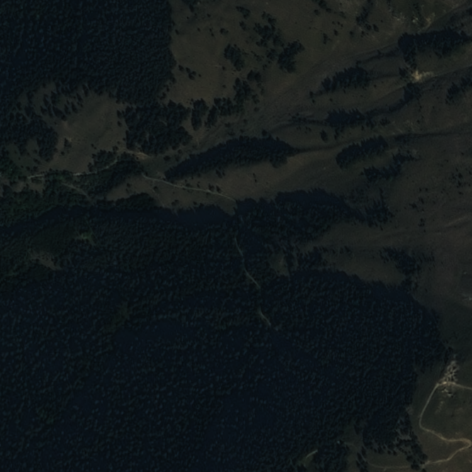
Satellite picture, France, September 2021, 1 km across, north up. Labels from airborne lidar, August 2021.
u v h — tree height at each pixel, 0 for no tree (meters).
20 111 13
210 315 24
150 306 21
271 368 13
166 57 16
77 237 7
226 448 22
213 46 0
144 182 0
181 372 21
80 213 19
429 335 14
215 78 0
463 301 0
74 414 14
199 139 0
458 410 0
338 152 0
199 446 16
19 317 26
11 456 17
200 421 21
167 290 11
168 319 13
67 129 0
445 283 0
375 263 0
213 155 10
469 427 0
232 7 0
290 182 0
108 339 13
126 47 17
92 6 13
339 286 19
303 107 0
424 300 0
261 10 0
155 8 25
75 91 12
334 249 0
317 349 14
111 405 25
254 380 28
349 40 0
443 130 0
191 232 23
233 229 9
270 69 0
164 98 8
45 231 14
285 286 18
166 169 0
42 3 16
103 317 18
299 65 0
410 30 0
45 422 14
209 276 14
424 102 0
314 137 0
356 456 0
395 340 18
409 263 15
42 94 0
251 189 0
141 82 21
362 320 26
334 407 21
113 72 19
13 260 10
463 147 0
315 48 0
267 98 0
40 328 24
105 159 17
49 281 18
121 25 20
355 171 0
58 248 15
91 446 34
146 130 22
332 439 9
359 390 17
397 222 0
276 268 0
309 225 7
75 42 10
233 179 0
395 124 0
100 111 0
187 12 0
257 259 16
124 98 20
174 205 8
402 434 11
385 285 0
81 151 0
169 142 18
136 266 10
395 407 15
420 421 0
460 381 0
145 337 10
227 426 10
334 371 18
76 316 23
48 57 18
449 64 0
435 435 0
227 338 9
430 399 0
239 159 11
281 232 13
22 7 12
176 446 22
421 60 0
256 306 19
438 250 0
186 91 0
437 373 0
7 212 16
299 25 0
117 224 21
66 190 9
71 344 17
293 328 10
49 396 13
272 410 24
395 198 0
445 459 0
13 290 21
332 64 0
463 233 0
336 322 21
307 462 0
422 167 0
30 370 30
